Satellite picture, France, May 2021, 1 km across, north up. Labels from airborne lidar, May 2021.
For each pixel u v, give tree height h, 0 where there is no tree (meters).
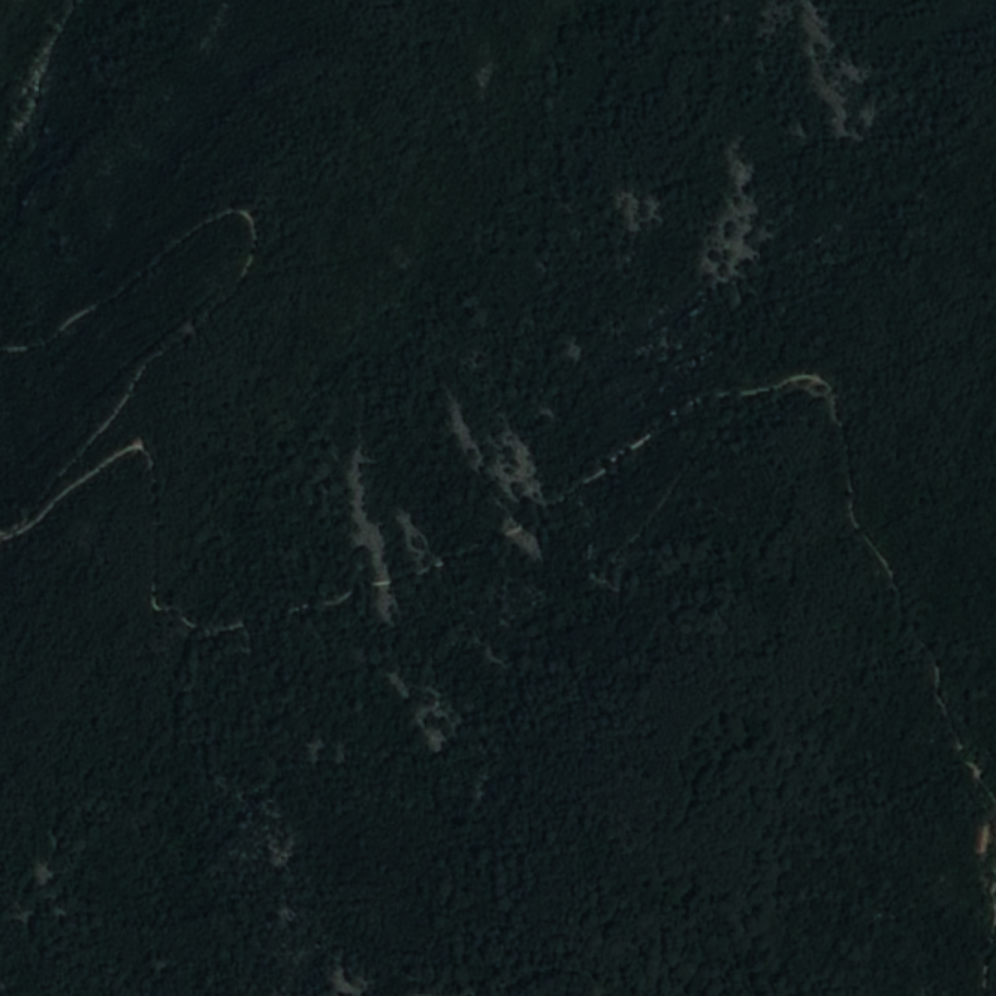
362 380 10
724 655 23
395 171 16
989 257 20
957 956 20
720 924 25
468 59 11
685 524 8
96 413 8
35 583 10
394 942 13
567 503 9
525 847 17
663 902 14
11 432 7
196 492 18
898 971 16
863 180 13
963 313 23
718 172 7
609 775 18
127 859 14
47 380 8
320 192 15
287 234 12
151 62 10
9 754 7
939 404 25
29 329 7
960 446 18
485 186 11
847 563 18
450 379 12
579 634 16
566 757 21
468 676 11
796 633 29
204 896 8
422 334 10
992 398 10
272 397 17
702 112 11
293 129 13
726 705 24
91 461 8
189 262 8
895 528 18
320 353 14
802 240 6
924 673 19
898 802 27
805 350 10
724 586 23
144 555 20
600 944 24
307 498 13
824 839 19
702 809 20
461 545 12
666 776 22
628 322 8
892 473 13
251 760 8
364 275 9
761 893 28
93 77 19
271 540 15
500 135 9
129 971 14
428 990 17
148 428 7
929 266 16
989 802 7
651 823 25
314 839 10
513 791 14
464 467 12
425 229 8
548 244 14
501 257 18
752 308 8
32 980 13
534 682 12
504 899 23
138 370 8
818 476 18
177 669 13
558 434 8
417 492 10
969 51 13
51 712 19
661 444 9
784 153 6
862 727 12
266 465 14
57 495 7
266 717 10
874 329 19
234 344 21
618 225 15
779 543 26
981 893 8
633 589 17
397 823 9
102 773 15
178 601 21
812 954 13
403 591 12
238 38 7
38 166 10
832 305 8
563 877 18
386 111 19
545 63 11
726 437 16
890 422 20
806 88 16
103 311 11
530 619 8
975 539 16
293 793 10
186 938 18
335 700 16
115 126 8
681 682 24
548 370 8
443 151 11
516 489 9
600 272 9
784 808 20
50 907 11
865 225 7
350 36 8
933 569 13
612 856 20
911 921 15
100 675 12
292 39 8
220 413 19
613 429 5
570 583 15
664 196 16
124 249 9
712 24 20
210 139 10
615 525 10
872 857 18
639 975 26
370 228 18
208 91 7
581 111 7
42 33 11
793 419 19
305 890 17
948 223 16
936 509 12
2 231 12
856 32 14
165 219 6
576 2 9
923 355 21
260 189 16
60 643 9
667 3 17
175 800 26
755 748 26
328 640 8
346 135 15
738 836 26
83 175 11
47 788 16
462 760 8
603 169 20
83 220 7
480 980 11
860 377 18
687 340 7
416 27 20
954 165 20
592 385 12
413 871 14
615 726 22
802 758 22
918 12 15
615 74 15
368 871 13
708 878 25
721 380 12
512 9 6
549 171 7
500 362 9
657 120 17
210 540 9
